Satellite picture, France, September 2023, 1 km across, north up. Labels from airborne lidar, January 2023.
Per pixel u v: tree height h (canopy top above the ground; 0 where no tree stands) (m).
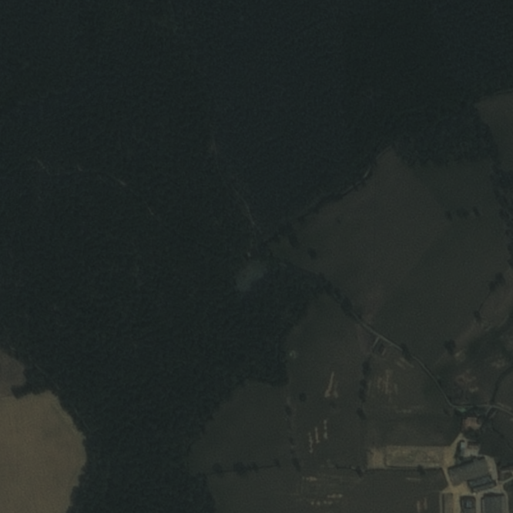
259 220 22
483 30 27
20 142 11
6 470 0
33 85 19
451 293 0
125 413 21
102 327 21
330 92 28
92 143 11
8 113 20
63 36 29
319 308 0
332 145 30
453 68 27
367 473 0
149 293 14
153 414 18
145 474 18
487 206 0
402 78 19
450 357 0
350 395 0
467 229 0
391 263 0
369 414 0
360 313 0
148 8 17
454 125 19
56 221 20
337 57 23
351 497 0
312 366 0
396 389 0
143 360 16
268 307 16
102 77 19
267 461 0
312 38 23
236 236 15
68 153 15
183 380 20
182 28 25
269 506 0
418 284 0
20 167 14
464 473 0
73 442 0
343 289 0
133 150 10
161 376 20
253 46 29
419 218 0
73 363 22
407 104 21
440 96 22
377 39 18
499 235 0
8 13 29
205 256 18
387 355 0
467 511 0
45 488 0
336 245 0
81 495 18
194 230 18
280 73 32
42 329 22
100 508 25
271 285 20
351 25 16
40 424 0
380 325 0
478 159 13
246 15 29
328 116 28
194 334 21
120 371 20
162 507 17
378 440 0
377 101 15
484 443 0
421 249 0
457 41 28
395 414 0
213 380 18
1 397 0
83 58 26
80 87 20
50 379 17
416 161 16
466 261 0
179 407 17
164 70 17
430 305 0
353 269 0
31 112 22
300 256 0
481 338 0
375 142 18
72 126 19
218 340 18
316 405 0
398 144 0
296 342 0
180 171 16
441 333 0
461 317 0
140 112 13
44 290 23
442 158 18
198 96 19
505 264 0
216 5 24
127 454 20
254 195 27
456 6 30
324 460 0
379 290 0
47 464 0
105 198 21
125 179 11
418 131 21
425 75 19
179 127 14
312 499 0
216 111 25
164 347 17
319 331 0
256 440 0
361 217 0
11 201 20
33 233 16
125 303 17
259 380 10
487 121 0
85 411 20
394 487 0
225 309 16
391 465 0
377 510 0
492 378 0
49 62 29
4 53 27
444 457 0
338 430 0
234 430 0
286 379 19
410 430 0
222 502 0
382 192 0
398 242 0
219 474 15
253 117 32
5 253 16
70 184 17
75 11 30
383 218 0
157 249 16
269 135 23
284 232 20
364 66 15
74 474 0
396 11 22
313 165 23
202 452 0
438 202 0
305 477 0
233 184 16
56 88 22
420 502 0
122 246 17
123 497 22
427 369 7
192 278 18
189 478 14
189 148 16
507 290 0
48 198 20
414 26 21
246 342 13
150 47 16
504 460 0
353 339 0
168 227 14
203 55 24
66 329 20
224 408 0
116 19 10
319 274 0
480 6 20
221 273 19
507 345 0
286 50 25
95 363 20
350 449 0
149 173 17
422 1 25
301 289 16
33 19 34
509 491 0
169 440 22
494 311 0
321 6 18
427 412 0
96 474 21
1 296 15
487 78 22
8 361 0
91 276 22
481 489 0
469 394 0
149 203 18
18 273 11
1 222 21
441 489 0
